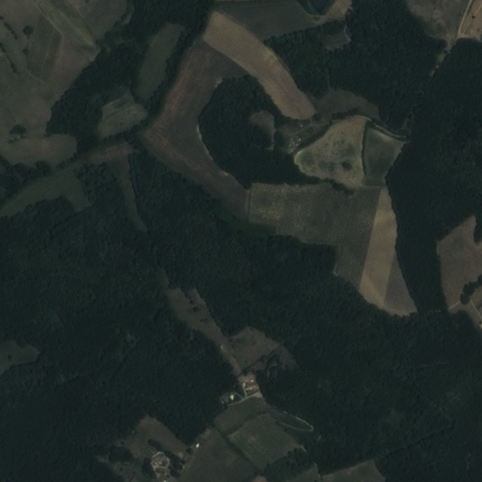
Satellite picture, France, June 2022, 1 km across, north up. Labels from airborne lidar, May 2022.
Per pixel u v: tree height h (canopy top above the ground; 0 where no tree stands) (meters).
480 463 13
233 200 0
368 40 14
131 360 19
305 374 12
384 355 13
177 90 0
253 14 0
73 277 10
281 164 14
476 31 0
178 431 16
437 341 17
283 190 0
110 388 16
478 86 14
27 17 0
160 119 0
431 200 12
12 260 19
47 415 15
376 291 0
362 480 0
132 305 23
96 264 12
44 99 0
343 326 15
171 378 15
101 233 13
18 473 17
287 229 0
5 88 0
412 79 19
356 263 0
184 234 17
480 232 16
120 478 12
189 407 19
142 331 23
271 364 10
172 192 21
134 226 23
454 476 15
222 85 12
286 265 21
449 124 18
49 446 14
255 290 27
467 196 16
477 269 0
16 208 0
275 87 0
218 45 0
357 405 20
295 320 23
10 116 0
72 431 18
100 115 9
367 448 8
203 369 19
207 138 11
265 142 11
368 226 0
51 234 20
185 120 0
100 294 10
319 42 6
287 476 9
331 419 17
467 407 11
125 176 0
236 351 0
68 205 14
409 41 16
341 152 0
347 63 18
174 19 18
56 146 0
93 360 8
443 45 13
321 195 0
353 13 20
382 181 0
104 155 0
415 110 14
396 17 20
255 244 13
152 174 18
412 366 14
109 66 17
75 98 20
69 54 0
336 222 0
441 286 7
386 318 21
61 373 13
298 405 11
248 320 14
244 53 0
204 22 24
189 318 0
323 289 18
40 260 14
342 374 13
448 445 18
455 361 12
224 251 24
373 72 18
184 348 20
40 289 15
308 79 16
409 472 10
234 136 12
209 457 0
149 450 0
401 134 10
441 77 13
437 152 15
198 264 18
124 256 18
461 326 9
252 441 0
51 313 8
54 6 0
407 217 14
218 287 16
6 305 11
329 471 9
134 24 21
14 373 17
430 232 12
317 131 0
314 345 18
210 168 0
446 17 0
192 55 0
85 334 14
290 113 0
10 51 0
